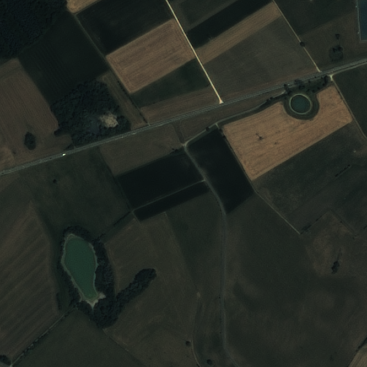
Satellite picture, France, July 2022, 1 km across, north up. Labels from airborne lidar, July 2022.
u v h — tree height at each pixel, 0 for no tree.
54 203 0
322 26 0
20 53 10
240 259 0
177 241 0
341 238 0
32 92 0
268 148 0
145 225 0
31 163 0
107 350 0
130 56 0
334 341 0
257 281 0
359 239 0
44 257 0
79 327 0
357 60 0
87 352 0
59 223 0
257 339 0
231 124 0
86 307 8
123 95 0
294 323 0
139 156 0
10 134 0
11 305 0
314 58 0
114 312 20
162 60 0
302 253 0
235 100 0
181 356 0
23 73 0
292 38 0
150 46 0
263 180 0
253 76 0
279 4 0
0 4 10
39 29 20
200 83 0
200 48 0
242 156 0
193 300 0
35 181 0
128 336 0
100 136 15
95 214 0
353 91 0
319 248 0
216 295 0
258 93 0
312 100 0
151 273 12
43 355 0
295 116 0
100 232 0
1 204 0
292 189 0
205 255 0
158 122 0
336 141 0
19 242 0
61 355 0
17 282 0
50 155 0
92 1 0
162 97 0
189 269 0
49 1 21
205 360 0
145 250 0
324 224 0
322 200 0
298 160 0
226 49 0
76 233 15
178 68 0
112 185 0
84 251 0
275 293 0
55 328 0
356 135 0
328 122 0
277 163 0
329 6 0
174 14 0
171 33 0
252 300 0
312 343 0
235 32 0
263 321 0
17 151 0
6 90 0
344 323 0
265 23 0
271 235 0
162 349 0
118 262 0
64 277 7
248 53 0
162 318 0
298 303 0
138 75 0
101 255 15
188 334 0
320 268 0
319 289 0
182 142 0
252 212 0
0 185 0
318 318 0
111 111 18
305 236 0
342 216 0
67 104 14
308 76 0
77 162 0
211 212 0
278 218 0
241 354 0
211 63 0
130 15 0
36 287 0
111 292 14
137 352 0
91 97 24
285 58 0
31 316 0
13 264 0
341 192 0
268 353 0
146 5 0
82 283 0
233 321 0
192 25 0
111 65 0
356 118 0
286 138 0
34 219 0
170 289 0
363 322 0
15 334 0
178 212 0
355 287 0
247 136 0
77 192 0
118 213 0
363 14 0
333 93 0
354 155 0
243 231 0
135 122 0
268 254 0
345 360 0
